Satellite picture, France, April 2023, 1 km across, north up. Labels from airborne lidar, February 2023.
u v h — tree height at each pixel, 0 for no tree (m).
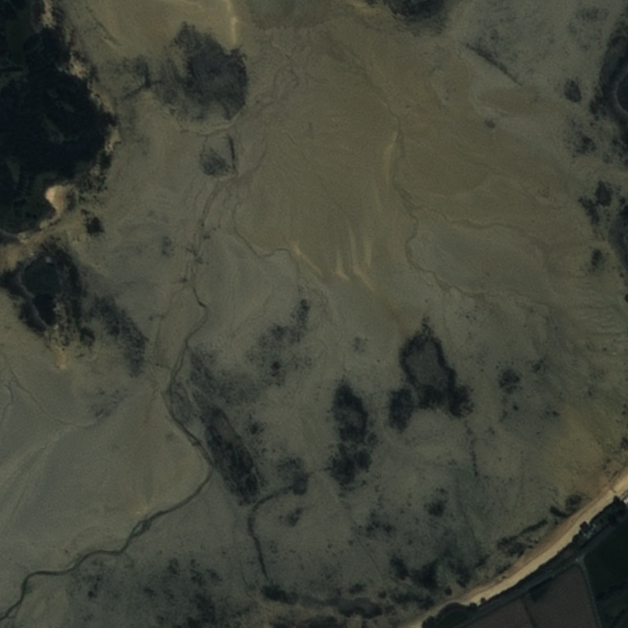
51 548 0
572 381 0
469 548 0
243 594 0
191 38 0
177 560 0
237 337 0
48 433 0
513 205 0
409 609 0
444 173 0
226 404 0
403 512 0
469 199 0
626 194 0
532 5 0
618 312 0
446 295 0
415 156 0
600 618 0
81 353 0
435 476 0
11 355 0
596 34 0
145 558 0
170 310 0
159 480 0
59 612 0
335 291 0
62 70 0
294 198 0
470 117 0
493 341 0
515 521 0
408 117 0
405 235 0
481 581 0
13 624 0
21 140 25
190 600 0
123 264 0
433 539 0
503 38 0
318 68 0
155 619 0
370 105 0
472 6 0
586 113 0
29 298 0
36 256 0
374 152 0
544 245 0
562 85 0
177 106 0
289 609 0
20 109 25
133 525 0
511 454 0
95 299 0
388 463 0
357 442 0
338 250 0
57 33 0
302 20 0
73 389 0
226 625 0
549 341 0
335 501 0
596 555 0
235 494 0
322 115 0
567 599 0
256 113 0
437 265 0
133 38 0
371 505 0
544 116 0
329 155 0
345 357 0
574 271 0
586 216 0
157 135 0
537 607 0
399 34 0
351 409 0
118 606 0
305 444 0
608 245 0
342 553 0
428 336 0
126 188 0
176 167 0
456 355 0
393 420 0
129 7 0
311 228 0
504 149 0
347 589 0
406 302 0
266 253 0
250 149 0
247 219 0
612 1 0
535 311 0
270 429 0
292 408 0
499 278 0
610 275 0
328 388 0
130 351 0
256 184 0
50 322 10
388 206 0
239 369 0
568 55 0
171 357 0
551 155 0
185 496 0
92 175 0
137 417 0
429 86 0
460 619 0
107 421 0
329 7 0
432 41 0
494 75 0
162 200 0
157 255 0
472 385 0
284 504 0
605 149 0
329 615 0
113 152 0
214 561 0
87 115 21
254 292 0
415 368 0
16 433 0
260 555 0
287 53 0
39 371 0
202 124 0
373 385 0
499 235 0
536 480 0
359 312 0
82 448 0
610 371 0
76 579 0
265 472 0
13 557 0
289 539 0
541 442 0
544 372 0
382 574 0
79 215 0
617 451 0
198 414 0
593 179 0
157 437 0
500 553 0
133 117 0
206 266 0
